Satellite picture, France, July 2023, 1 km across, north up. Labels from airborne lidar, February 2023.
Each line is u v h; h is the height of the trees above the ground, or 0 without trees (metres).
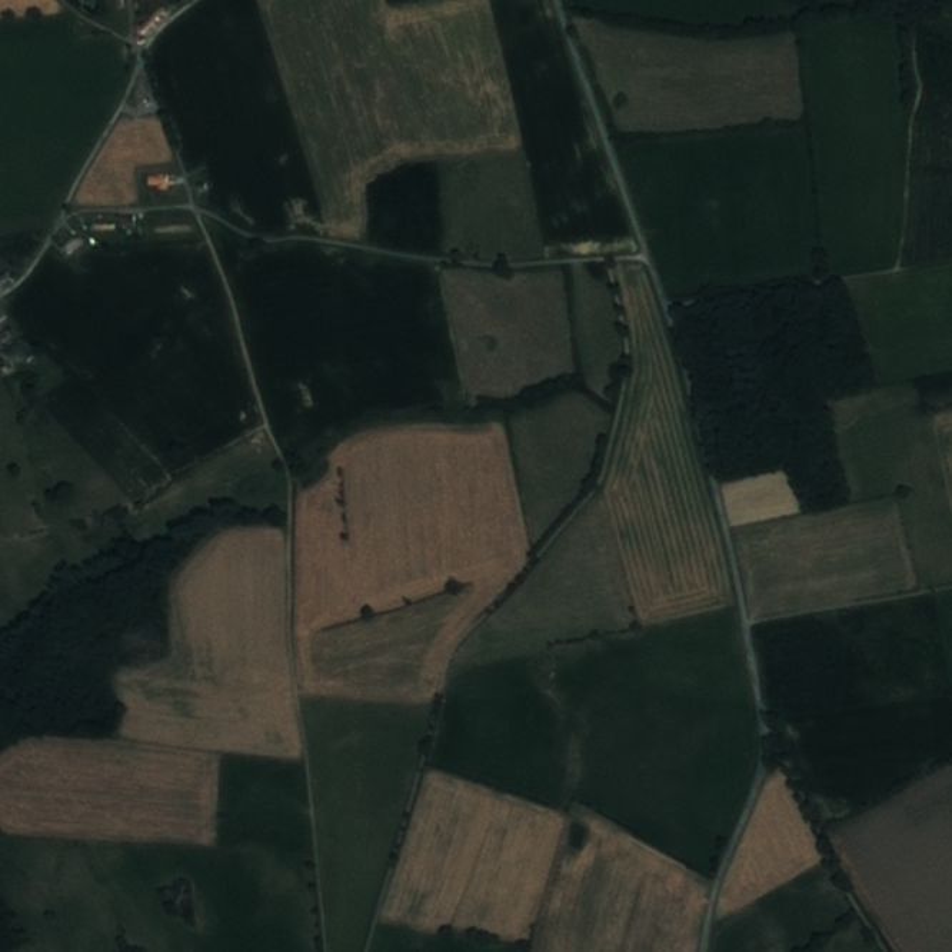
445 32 0
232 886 0
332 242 0
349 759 0
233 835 0
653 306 0
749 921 0
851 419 0
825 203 0
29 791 0
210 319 0
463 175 0
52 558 0
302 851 0
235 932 0
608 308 0
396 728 0
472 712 0
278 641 0
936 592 11
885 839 0
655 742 0
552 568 0
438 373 0
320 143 0
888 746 0
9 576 0
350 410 0
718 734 0
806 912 0
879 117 0
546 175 0
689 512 0
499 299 0
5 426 0
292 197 0
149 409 0
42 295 0
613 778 0
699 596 0
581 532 0
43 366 0
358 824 0
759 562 0
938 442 0
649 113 0
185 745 0
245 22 0
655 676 0
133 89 0
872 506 0
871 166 0
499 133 0
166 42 0
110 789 0
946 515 0
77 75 0
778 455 22
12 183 0
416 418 0
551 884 0
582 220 0
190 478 0
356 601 0
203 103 0
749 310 24
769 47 0
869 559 0
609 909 0
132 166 0
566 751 0
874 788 0
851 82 0
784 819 0
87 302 0
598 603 0
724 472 18
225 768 0
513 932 0
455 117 0
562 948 0
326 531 0
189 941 0
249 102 0
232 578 0
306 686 0
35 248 6
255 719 0
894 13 19
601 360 0
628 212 0
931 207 0
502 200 0
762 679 0
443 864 0
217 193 8
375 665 0
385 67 0
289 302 0
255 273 0
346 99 0
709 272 0
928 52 0
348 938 0
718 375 12
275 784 0
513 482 0
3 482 0
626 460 0
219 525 18
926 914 0
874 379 19
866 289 0
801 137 0
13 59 0
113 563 32
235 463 0
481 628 0
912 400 0
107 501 0
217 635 0
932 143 0
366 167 0
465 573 0
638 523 0
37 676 14
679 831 0
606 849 0
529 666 0
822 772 0
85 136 0
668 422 0
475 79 0
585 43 0
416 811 0
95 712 8
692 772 0
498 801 0
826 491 19
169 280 0
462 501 0
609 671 0
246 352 0
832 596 0
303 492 0
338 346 0
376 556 0
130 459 0
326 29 0
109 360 0
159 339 12
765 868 0
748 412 23
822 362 22
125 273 0
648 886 0
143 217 0
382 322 0
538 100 0
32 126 0
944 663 0
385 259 0
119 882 0
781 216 0
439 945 0
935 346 0
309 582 0
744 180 0
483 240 0
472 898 0
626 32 0
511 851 0
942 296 0
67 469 0
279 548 0
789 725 0
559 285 0
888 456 0
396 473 0
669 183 0
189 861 0
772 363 23
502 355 0
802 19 16
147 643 0
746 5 0
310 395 0
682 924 0
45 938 0
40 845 0
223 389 0
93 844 0
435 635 0
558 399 0
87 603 21
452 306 0
